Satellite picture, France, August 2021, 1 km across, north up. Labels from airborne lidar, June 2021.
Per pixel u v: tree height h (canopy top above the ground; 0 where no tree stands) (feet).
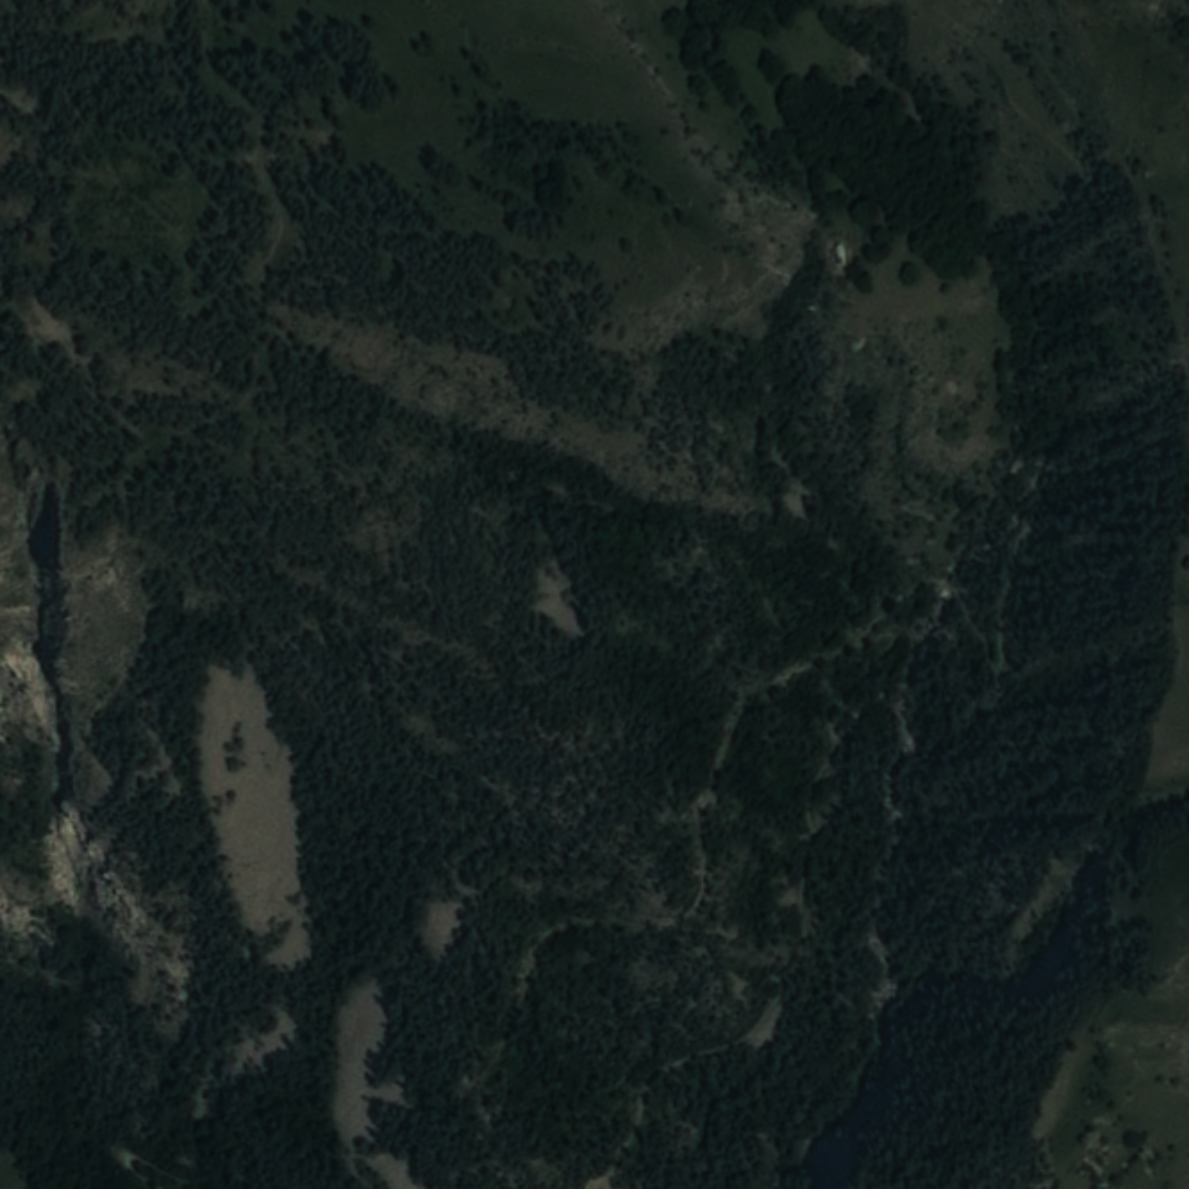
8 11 56
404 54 0
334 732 31
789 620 21
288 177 67
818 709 44
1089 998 68
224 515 95
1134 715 57
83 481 64
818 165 59
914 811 34
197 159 66
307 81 96
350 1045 0
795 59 0
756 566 25
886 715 44
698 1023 40
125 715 31
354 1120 0
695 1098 70
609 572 53
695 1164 53
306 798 75
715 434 24
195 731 100
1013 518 24
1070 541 68
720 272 0
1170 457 62
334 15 0
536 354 29
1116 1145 0
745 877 20
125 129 44
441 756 26
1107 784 84
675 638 39
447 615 61
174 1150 33
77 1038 48
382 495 44
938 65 0
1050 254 69
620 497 67
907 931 85
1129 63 0
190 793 32
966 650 22
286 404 58
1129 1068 0
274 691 53
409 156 0
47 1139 70
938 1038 65
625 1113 27
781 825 24
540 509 38
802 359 37
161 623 61
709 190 0
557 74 0
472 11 0
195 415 71
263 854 0
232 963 25
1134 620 64
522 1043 48
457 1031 21
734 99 38
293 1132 66
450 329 38
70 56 89
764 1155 100
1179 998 0
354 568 55
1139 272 38
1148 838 86
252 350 75
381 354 0
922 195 73
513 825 41
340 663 38
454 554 81
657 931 68
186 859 21
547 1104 33
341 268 49
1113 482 73
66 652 19
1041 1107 22
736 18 61
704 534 22
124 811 47
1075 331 24
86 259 82
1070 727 57
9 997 63
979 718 28
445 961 31
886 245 39
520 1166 38
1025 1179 31
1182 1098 0
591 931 44
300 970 31
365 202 67
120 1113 40
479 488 41
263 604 79
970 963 36
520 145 34
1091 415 38
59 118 68
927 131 56
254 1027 20
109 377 52
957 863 73
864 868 48
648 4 0
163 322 61
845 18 28
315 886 33
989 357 0
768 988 27
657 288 0
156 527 52
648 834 62
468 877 82
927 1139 73
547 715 69
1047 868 78
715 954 68
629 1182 25
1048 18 0
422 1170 78
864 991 89
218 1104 26
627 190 26
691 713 53
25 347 87
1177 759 0
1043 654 34
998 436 31
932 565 26
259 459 47
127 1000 52
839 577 37
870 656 33
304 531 82
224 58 77
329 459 41
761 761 47
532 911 63
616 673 52
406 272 86
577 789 35
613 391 57
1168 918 0
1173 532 46
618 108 0
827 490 38
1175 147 0
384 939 93
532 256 0
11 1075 73
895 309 0
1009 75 0
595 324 43
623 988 72
